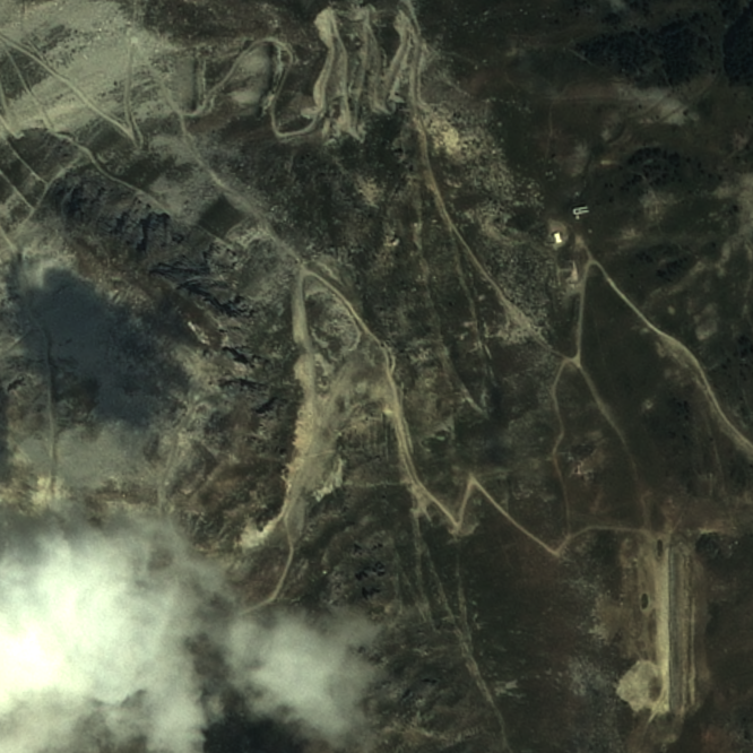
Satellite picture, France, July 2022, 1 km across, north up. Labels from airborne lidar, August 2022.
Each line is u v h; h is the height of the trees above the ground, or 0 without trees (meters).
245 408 0
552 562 0
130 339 0
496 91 0
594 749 0
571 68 0
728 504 0
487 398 0
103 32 0
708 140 0
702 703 0
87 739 0
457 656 0
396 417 0
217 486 0
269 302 0
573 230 0
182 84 0
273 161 0
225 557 0
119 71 0
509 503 0
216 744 0
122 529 0
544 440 0
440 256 0
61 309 0
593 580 0
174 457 0
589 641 0
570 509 0
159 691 0
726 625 0
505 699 0
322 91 0
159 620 0
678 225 0
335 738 0
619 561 0
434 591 0
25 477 0
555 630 0
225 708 0
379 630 0
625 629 0
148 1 0
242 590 0
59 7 0
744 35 16
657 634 0
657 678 0
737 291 0
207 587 0
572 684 0
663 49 9
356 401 0
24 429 0
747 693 0
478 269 0
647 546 0
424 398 0
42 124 0
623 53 12
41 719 0
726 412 0
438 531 0
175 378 0
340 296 0
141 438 0
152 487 0
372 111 0
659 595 0
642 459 0
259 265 0
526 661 0
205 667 0
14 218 0
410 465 0
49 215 0
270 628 0
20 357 0
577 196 0
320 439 0
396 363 0
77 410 0
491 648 0
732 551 0
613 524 0
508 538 0
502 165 0
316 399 0
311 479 0
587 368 0
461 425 0
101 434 0
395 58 0
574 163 0
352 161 0
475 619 0
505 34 0
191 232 0
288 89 0
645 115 0
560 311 0
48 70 0
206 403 0
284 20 0
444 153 0
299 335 0
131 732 0
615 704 0
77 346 0
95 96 0
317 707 0
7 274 0
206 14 0
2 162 0
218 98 0
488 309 0
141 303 0
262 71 0
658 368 0
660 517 0
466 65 0
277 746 0
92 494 0
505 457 0
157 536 0
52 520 0
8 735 0
